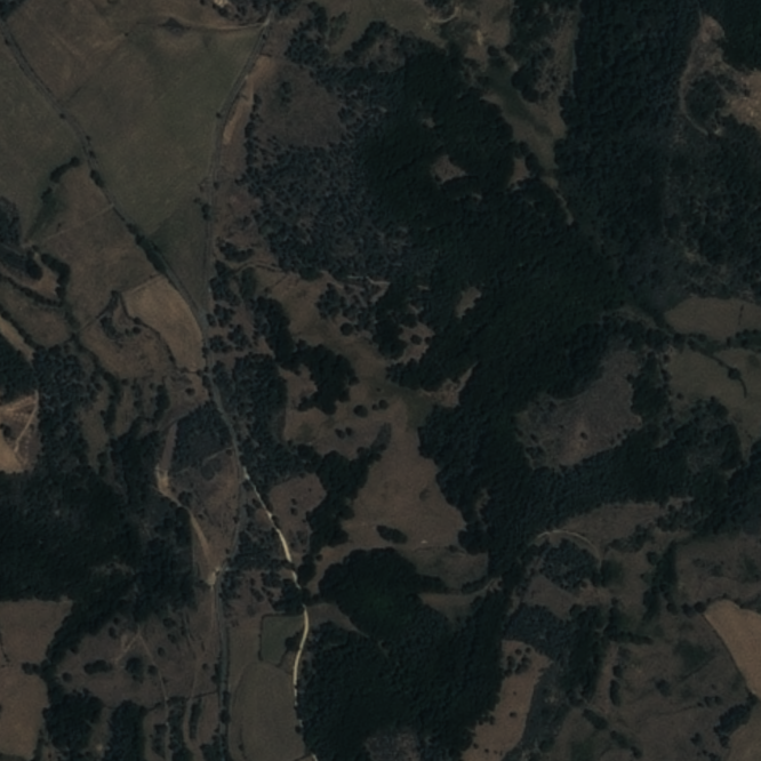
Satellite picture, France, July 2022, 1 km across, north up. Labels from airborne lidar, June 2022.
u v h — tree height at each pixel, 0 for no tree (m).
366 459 7
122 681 0
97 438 0
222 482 0
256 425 10
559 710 8
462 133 13
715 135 9
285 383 16
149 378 0
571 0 17
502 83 0
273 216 12
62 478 11
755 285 13
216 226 0
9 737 0
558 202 16
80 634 11
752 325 0
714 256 10
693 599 0
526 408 11
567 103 25
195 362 0
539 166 15
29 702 0
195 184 0
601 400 0
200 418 13
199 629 0
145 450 9
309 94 0
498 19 0
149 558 9
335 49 0
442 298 20
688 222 9
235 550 0
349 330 14
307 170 15
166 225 0
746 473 12
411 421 0
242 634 0
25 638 0
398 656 9
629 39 12
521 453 15
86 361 0
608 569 10
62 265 10
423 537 0
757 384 0
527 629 15
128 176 0
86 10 0
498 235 21
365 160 15
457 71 16
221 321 6
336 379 13
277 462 11
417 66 18
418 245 12
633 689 0
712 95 8
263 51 0
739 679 0
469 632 12
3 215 6
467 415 21
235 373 14
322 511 15
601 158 9
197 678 0
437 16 0
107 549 10
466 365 23
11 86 0
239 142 0
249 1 0
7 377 11
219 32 0
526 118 0
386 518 0
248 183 13
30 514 11
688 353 0
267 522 0
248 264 0
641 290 7
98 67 0
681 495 11
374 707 14
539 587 0
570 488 17
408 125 16
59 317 0
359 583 20
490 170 18
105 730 0
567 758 0
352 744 16
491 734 0
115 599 13
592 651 15
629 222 14
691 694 0
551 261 16
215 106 0
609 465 17
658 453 15
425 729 13
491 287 8
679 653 0
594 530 0
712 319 0
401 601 15
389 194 19
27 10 0
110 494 6
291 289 0
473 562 0
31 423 0
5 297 0
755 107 0
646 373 11
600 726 16
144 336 0
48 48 0
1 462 0
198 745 0
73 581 10
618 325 10
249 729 0
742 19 14
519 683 0
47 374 19
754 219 14
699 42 0
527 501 14
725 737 8
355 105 14
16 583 18
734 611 0
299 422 0
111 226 0
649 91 10
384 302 12
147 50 0
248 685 0
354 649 18
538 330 11
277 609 14
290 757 0
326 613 0
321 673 11
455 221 16
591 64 16
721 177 11
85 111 0
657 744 0
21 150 0
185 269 0
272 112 0
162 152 0
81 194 0
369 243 16
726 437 12
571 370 13
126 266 0
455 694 14
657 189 5
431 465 0
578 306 17
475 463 15
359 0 0
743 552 0
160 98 0
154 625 0
